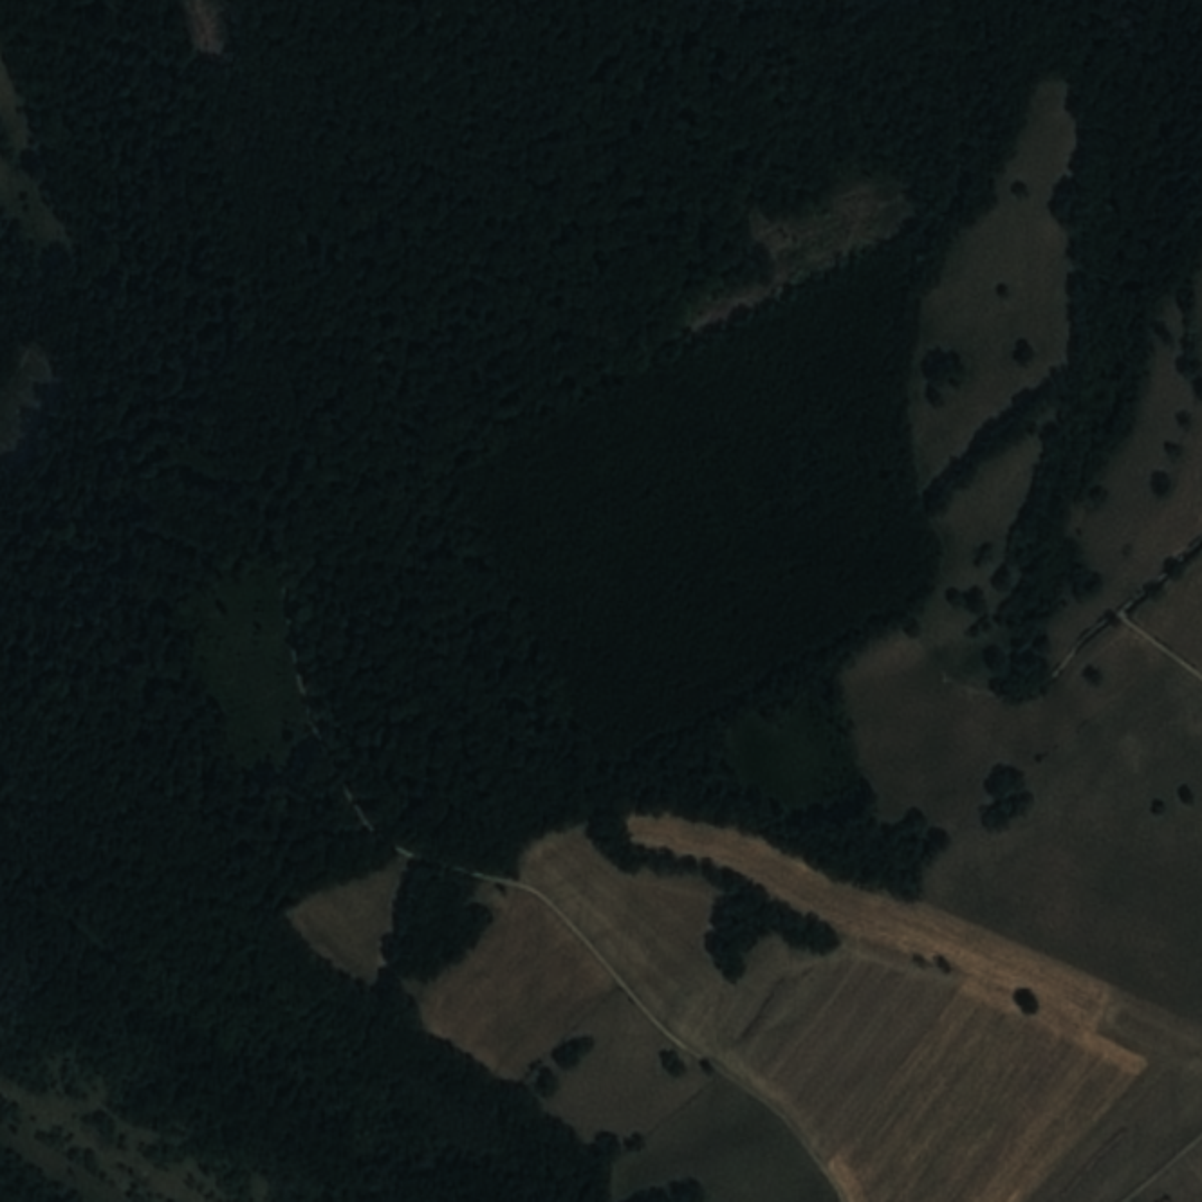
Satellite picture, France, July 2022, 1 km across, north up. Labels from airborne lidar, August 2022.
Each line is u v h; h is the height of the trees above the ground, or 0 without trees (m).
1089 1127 0
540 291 24
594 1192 21
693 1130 0
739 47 24
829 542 15
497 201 24
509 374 24
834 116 21
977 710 0
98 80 21
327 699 16
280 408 25
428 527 24
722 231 21
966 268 0
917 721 0
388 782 20
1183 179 25
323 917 0
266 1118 22
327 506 22
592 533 15
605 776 20
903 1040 0
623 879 0
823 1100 0
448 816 25
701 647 13
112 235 25
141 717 20
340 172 22
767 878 0
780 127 20
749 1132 0
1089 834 0
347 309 19
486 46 20
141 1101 18
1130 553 0
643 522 12
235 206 22
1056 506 24
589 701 15
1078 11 28
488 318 25
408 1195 21
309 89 15
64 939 20
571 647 15
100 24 27
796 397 13
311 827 24
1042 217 0
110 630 22
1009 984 0
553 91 20
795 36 22
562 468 14
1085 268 18
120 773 16
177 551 26
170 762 23
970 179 22
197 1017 9
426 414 21
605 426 13
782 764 0
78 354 26
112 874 24
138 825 19
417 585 24
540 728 22
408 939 20
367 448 26
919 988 0
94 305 31
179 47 29
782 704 22
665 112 22
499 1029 0
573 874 0
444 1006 0
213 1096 22
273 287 21
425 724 21
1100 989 0
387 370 24
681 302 22
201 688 23
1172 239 22
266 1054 11
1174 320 0
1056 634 0
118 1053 12
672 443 15
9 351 20
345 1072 15
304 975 15
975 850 0
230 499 29
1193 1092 0
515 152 19
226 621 0
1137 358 19
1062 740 0
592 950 0
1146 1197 0
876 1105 0
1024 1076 0
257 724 0
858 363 14
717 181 20
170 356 31
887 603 11
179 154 28
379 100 23
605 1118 0
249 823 26
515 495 14
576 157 22
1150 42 34
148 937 20
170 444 12
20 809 21
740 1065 0
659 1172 0
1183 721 0
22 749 19
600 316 23
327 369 24
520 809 19
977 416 0
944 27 24
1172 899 0
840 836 19
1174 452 8
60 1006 19
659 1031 0
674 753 25
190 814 20
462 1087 15
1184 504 0
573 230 25
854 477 13
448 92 23
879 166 7
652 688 16
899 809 0
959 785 0
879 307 10
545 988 0
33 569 26
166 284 22
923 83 16
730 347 13
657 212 22
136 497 12
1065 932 0
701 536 13
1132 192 32
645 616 13
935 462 0
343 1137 19
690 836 0
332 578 22
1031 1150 0
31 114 15
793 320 14
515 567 18
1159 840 0
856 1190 0
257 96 16
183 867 19
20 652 26
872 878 21
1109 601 0
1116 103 29
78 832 22
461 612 9
